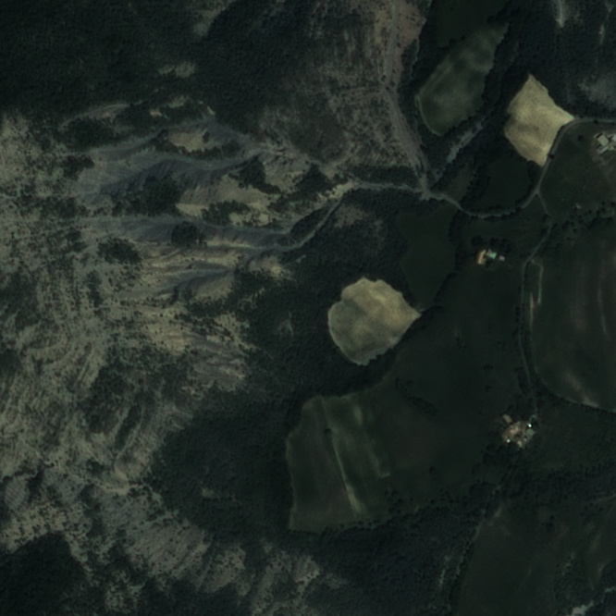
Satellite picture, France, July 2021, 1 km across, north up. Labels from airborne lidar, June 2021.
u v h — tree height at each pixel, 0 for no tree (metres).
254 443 8
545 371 0
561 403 8
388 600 12
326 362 13
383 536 19
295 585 5
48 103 11
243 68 7
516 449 11
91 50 8
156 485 12
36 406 0
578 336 0
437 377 0
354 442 0
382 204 10
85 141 7
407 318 0
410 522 15
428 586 7
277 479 21
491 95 21
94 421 7
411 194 6
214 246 0
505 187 0
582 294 0
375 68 0
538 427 17
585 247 0
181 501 12
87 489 7
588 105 7
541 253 8
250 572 6
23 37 17
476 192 15
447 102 0
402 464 0
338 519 0
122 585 7
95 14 11
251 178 8
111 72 9
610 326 0
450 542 9
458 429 0
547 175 0
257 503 7
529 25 15
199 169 0
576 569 8
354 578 11
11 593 18
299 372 9
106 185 0
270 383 8
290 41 9
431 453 0
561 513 0
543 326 0
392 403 0
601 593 8
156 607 10
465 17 0
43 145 6
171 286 0
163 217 0
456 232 15
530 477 13
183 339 0
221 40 8
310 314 9
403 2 0
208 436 13
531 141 0
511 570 0
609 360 0
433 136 7
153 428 0
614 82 0
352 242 6
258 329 9
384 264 12
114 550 10
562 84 8
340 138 0
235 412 8
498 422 0
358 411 0
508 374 0
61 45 10
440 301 9
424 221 0
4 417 0
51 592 17
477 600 0
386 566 15
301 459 0
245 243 0
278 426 9
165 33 6
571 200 0
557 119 0
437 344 0
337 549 15
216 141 0
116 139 6
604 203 8
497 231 0
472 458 0
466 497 6
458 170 8
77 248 6
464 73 0
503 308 0
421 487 0
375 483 0
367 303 0
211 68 6
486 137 11
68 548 11
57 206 7
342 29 6
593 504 8
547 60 9
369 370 17
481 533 0
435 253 0
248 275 6
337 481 0
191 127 0
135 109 9
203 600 10
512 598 0
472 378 0
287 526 10
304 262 7
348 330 0
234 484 13
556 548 0
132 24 8
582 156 0
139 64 6
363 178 8
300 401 16
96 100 8
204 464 11
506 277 0
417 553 12
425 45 15
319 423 0
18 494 0
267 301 10
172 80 7
